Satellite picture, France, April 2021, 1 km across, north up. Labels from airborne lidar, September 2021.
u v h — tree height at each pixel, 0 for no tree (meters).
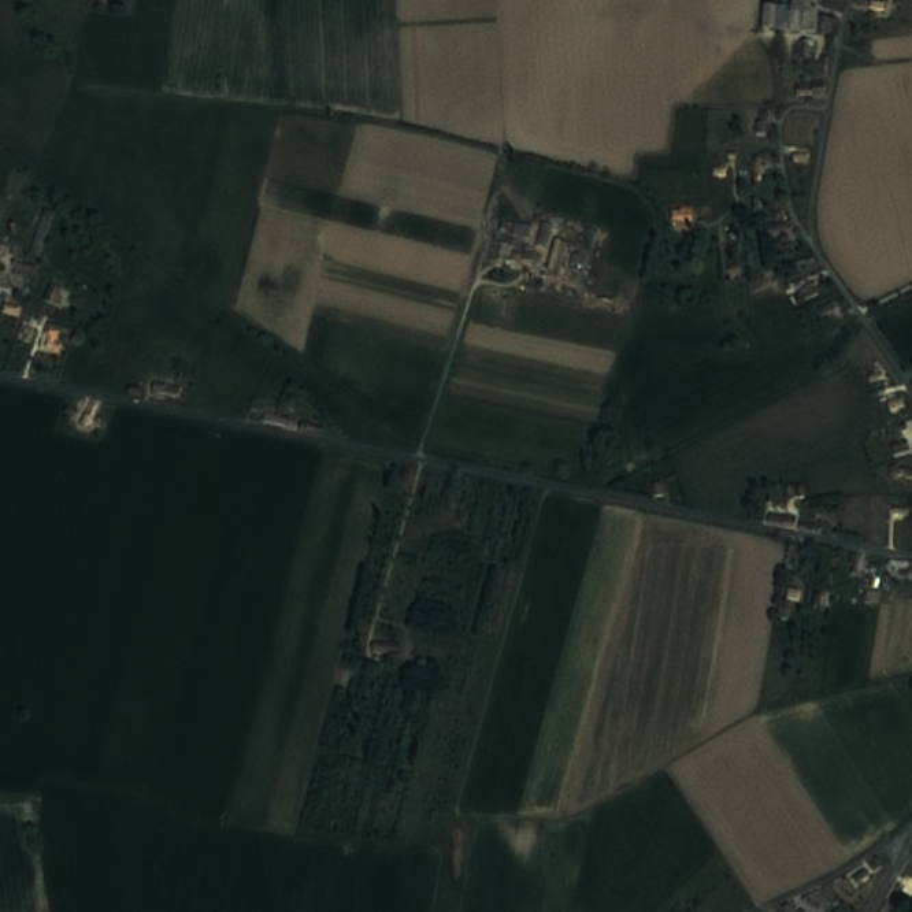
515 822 0
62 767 0
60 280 0
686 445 0
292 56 0
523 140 0
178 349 0
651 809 0
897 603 0
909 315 0
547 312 0
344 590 0
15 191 0
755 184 9
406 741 13
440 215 0
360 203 0
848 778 0
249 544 0
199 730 0
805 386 0
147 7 0
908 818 0
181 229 0
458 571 10
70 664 0
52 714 0
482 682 0
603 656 0
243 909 0
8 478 0
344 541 0
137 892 0
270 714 0
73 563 0
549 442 0
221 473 0
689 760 0
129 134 0
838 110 0
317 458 0
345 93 0
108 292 7
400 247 0
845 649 0
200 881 0
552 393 0
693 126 0
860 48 0
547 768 0
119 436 0
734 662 0
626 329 0
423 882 0
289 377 0
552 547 0
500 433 0
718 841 0
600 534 0
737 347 17
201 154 0
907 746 0
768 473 0
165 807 0
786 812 0
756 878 0
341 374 0
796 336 0
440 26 0
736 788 0
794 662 12
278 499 0
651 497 7
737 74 0
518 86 0
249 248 0
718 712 0
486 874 0
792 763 0
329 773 7
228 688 0
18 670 0
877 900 0
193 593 0
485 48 0
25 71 0
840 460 0
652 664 0
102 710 0
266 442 0
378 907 0
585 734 0
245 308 0
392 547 9
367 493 0
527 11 0
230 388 0
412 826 0
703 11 0
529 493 10
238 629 0
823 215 0
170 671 0
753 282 10
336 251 0
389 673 11
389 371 0
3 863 0
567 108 0
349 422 0
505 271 8
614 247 0
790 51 0
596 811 0
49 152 0
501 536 8
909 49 0
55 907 0
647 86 0
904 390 0
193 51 0
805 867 0
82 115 0
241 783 0
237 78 0
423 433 0
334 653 0
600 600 0
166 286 0
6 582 0
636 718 0
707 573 0
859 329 0
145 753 0
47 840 0
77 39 0
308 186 0
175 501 0
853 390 0
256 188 0
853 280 0
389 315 0
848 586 0
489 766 0
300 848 0
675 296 13
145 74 0
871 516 0
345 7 0
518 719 0
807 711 0
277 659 0
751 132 0
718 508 0
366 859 0
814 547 16
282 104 0
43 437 0
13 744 0
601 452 19
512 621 0
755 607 0
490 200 0
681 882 0
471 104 0
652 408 0
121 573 0
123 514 0
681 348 0
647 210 0
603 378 0
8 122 0
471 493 11
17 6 0
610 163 0
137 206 0
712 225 0
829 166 0
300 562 0
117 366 0
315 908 0
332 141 0
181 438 0
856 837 0
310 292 0
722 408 0
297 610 0
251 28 0
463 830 0
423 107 0
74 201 10
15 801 0
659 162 0
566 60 0
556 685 0
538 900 0
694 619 0
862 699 0
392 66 0
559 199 0
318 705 0
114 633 0
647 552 0
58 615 0
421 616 15
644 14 0
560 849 0
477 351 0
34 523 0
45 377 13
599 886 0
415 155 0
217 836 0
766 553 0
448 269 0
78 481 0
